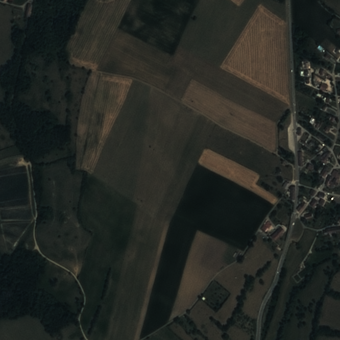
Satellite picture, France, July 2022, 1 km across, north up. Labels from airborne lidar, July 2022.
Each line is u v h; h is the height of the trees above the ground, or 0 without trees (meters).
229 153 0
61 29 16
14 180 0
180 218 0
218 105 0
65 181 0
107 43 0
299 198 8
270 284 0
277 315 0
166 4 0
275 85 0
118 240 0
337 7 0
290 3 0
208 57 0
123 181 0
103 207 0
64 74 0
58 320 24
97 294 0
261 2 0
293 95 0
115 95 0
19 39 17
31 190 0
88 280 0
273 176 0
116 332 0
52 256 0
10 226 0
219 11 0
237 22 0
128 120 0
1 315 17
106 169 0
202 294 8
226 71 0
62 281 0
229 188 0
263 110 0
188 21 0
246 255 0
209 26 0
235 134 0
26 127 15
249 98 0
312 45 0
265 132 0
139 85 0
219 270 0
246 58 0
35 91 0
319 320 13
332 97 6
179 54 0
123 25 0
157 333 0
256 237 10
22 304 16
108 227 0
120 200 0
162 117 0
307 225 8
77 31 0
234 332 0
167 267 0
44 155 10
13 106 13
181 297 0
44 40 9
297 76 6
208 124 0
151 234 0
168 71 0
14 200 0
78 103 0
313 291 0
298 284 0
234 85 0
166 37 0
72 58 0
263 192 0
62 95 0
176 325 0
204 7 0
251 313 0
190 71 0
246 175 0
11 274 21
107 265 0
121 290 0
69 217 0
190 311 7
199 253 0
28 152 13
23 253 9
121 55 0
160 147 0
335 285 0
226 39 0
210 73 0
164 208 0
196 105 0
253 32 0
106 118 0
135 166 0
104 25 0
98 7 0
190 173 0
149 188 0
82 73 0
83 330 0
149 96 0
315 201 0
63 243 0
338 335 14
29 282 19
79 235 0
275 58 0
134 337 0
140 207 0
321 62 7
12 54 0
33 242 0
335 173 0
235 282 0
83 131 0
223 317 0
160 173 0
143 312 0
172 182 0
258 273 11
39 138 16
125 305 0
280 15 0
